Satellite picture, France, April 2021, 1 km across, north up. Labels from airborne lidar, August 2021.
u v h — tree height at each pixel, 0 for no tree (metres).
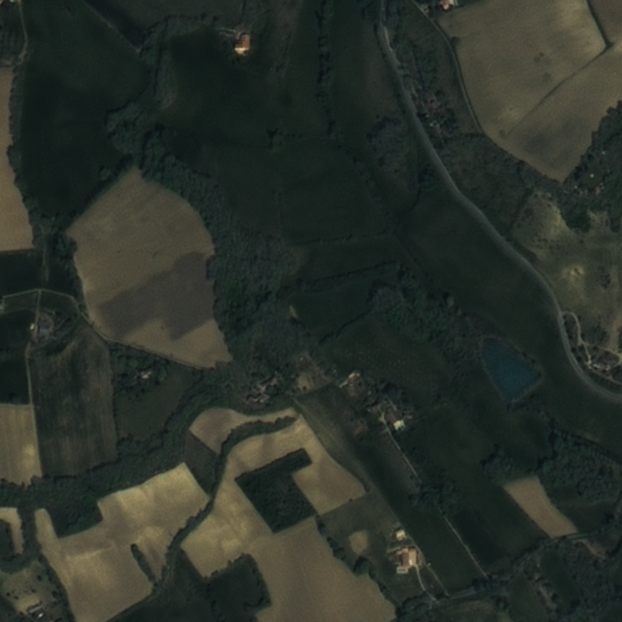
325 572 0
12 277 0
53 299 0
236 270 20
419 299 21
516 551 0
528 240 0
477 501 0
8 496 18
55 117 0
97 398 0
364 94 0
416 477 6
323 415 0
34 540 21
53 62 0
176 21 17
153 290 0
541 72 0
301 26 0
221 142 0
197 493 0
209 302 0
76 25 0
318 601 0
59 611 0
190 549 0
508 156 15
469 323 9
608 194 17
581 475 20
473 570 0
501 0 0
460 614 0
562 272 0
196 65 0
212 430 0
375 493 0
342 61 0
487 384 0
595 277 0
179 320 0
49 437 0
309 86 0
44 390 0
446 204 0
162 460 13
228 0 0
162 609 0
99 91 0
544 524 0
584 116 0
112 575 0
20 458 0
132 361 18
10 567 16
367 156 0
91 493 13
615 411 0
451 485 11
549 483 10
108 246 0
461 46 0
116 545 0
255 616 11
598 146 14
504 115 0
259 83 0
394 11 18
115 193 0
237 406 21
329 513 0
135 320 0
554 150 0
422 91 10
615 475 19
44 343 17
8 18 0
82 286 18
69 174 0
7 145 0
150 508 0
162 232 0
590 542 0
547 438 0
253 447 0
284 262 20
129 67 0
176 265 0
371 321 0
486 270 0
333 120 7
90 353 0
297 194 0
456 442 0
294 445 0
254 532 0
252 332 20
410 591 0
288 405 11
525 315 0
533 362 11
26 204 10
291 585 0
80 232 0
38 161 0
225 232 19
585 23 0
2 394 0
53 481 14
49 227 19
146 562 19
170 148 17
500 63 0
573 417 0
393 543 0
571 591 0
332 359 0
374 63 0
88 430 0
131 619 0
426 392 0
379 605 0
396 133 24
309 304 0
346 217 0
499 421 0
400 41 16
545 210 0
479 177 0
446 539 0
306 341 21
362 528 0
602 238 0
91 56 0
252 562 10
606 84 0
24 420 0
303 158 0
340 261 0
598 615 13
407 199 0
